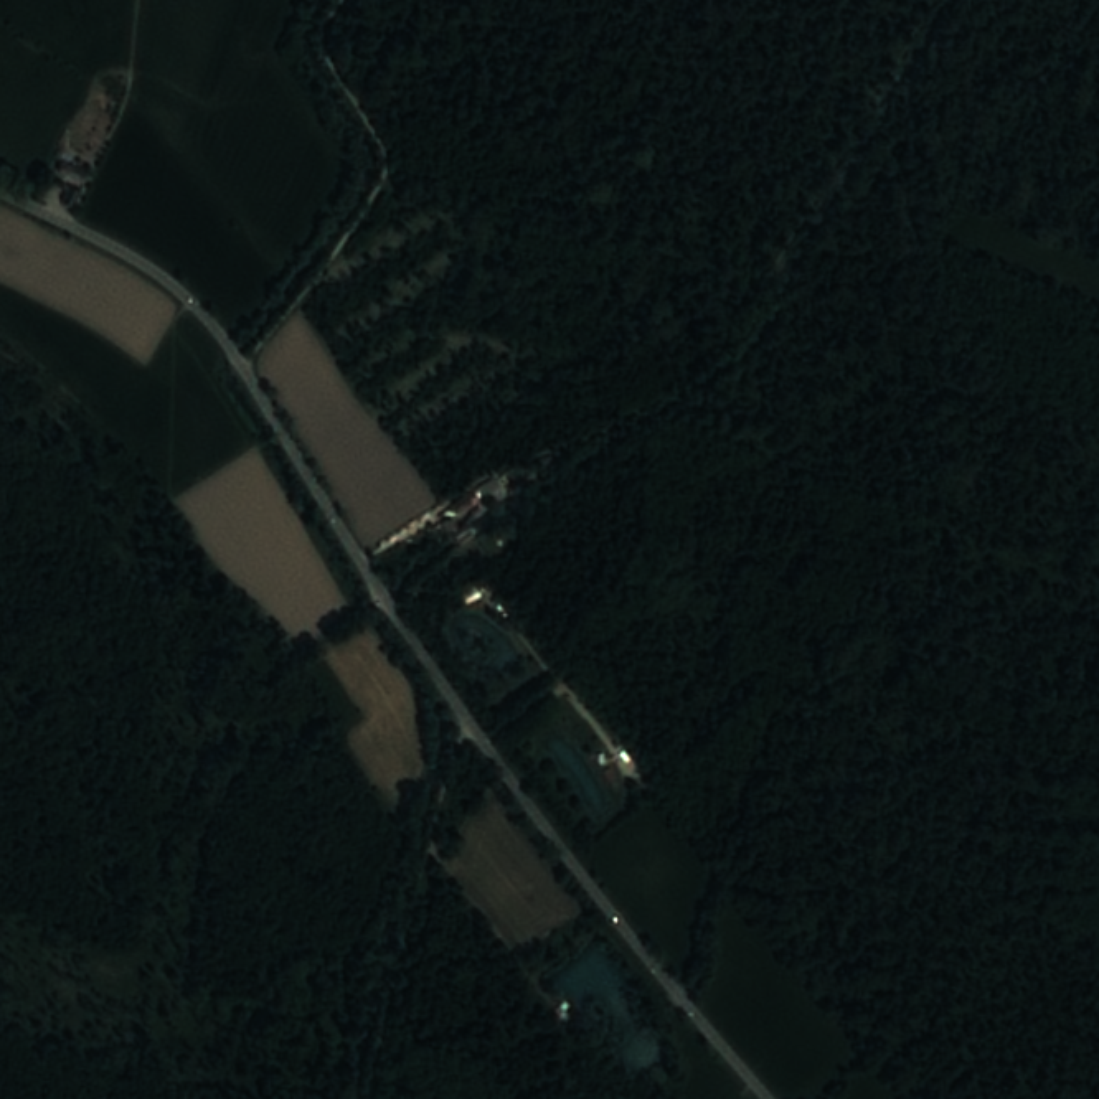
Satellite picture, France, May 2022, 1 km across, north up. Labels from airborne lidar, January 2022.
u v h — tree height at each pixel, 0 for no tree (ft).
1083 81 31
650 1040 0
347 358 38
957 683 92
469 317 80
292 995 113
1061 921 85
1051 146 93
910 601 46
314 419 0
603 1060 61
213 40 0
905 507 78
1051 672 0
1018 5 81
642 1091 58
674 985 0
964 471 111
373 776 0
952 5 65
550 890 0
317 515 61
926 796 65
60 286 0
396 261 23
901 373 0
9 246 0
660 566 80
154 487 31
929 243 77
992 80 88
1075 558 46
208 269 0
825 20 83
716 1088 0
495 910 0
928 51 65
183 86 0
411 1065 82
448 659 33
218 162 0
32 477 96
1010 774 110
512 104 91
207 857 53
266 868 78
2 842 67
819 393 120
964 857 74
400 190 86
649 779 59
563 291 21
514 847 0
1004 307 0
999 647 54
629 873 0
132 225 0
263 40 0
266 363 0
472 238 100
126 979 0
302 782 86
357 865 73
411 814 66
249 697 74
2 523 101
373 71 54
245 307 0
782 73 42
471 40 57
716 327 90
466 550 0
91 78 0
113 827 74
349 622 57
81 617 70
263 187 0
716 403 57
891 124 50
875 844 97
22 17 0
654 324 101
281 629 55
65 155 0
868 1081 0
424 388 37
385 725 0
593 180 104
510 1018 59
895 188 96
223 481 0
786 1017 0
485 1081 76
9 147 0
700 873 0
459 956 0
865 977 102
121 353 0
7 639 89
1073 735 85
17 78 0
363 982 74
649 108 82
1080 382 0
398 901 71
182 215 0
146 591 78
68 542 91
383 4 104
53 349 0
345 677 0
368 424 0
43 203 0
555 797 30
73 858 73
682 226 105
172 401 0
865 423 27
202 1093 45
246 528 0
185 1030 0
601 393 46
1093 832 89
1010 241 0
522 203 47
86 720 67
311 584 0
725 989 0
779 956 54
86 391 0
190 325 0
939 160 98
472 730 0
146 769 73
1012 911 68
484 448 49
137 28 0
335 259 0
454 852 54
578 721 0
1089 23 72
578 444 37
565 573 23
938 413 90
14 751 80
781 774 88
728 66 53
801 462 52
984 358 78
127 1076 58
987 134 72
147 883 71
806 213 97
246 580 0
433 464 50
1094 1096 91
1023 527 0
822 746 0
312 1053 0
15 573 73
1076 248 61
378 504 0
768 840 75
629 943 0
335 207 49
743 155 58
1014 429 58
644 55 86
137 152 0
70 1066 69
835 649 107
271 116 0
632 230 72
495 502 54
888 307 99
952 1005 80
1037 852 83
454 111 97
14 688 0
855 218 51
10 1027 65
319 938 74
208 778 87
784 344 30
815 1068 0
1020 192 105
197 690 75
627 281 98
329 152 0
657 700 44
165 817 31
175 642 62
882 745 57
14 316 0
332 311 33
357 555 0
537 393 72
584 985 0
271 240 0
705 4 104
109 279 0
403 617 50
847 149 41
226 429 0
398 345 0
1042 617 47
